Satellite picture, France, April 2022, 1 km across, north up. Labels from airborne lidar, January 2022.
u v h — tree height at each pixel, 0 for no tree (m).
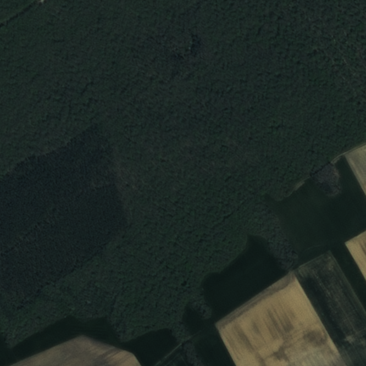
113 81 22
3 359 0
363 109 21
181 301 23
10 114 23
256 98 22
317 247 0
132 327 21
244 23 29
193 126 22
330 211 0
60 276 18
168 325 20
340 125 17
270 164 20
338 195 0
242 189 21
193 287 25
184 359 0
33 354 0
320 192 0
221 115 22
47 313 23
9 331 18
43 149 20
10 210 17
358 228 0
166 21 22
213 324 0
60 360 0
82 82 25
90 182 15
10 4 19
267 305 0
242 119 25
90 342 0
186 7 19
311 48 19
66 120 25
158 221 20
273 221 18
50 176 16
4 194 19
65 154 17
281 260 16
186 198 26
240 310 0
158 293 26
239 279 0
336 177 15
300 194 0
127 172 22
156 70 20
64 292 23
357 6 22
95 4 21
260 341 0
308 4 21
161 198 20
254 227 15
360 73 19
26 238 14
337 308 0
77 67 21
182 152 21
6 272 16
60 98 22
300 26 25
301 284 0
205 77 21
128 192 22
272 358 0
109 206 17
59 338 0
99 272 21
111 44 18
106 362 0
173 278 17
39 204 16
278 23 19
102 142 16
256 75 19
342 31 23
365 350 0
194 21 27
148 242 16
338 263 0
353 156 0
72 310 22
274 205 0
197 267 24
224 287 0
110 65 21
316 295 0
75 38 17
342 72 21
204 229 22
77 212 19
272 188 21
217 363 0
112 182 17
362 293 0
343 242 0
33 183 15
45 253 20
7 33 19
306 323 0
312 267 0
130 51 21
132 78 21
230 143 19
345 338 0
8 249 17
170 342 0
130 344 0
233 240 19
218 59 24
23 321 20
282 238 16
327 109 20
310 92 22
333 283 0
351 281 0
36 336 0
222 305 0
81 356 0
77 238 18
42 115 24
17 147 23
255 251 0
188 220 20
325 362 0
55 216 21
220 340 0
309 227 0
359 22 24
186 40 17
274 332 0
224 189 17
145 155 24
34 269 21
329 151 22
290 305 0
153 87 19
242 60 25
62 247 21
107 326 0
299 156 21
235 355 0
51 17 20
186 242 20
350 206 0
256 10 27
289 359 0
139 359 0
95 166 17
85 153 17
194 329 0
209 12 24
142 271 25
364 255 0
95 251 17
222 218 20
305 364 0
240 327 0
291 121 23
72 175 17
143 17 23
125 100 26
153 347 0
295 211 0
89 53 21
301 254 0
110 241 17
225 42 23
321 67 21
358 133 22
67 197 16
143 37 25
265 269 0
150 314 21
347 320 0
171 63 19
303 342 0
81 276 21
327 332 0
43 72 19
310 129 21
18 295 15
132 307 21
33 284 20
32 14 21
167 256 25
